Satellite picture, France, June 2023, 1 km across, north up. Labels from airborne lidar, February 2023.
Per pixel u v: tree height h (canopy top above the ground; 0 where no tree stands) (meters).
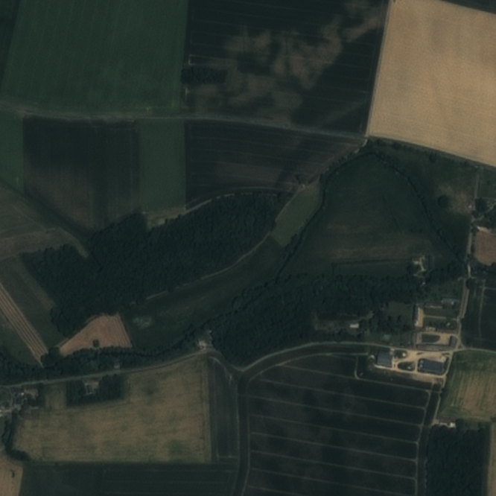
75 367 19
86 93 0
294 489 0
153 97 0
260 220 16
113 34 0
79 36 0
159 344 0
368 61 0
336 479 0
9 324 0
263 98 0
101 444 0
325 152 0
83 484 0
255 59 0
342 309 23
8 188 0
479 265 17
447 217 0
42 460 0
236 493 0
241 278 0
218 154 0
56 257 6
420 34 0
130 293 16
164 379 0
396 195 0
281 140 0
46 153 0
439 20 0
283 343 19
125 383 0
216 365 0
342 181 0
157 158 0
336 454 0
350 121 0
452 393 0
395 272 0
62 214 0
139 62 0
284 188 0
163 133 0
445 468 18
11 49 0
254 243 12
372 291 21
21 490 0
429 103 0
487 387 0
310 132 0
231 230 7
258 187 0
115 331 0
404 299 20
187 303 0
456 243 0
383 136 0
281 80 0
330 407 0
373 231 0
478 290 0
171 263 19
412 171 0
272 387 0
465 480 21
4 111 0
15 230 0
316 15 0
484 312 0
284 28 0
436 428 14
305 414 0
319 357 0
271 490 0
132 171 0
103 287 15
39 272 18
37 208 0
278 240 0
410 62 0
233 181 0
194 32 0
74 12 0
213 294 0
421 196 10
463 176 0
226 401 0
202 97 0
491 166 0
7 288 0
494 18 0
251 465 0
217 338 18
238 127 0
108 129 0
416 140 0
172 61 0
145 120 0
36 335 0
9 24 0
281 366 0
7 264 0
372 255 0
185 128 0
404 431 0
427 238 0
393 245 0
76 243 0
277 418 0
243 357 21
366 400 0
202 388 0
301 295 17
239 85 0
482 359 0
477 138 0
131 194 0
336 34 0
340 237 0
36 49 0
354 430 0
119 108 0
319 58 0
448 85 0
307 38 0
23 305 0
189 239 8
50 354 10
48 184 0
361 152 11
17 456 11
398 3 0
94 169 0
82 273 18
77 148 0
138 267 13
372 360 0
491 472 0
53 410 0
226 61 0
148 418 0
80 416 0
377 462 0
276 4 0
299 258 0
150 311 0
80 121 0
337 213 0
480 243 0
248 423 0
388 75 0
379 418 0
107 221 0
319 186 0
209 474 0
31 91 0
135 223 19
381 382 0
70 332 15
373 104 0
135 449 0
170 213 0
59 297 11
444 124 0
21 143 0
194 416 0
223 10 0
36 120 0
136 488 0
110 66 0
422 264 0
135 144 0
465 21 0
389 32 0
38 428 0
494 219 15
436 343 0
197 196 0
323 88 0
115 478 0
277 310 24
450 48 0
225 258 12
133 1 0
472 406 0
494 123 0
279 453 0
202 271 12
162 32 0
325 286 25
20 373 9
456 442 13
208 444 0
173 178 0
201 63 0
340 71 0
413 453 0
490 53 0
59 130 0
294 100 0
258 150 0
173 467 0
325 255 0
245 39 0
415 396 0
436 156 11
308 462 0
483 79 0
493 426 0
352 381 0
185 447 0
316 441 0
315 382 0
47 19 0
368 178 0
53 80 0
